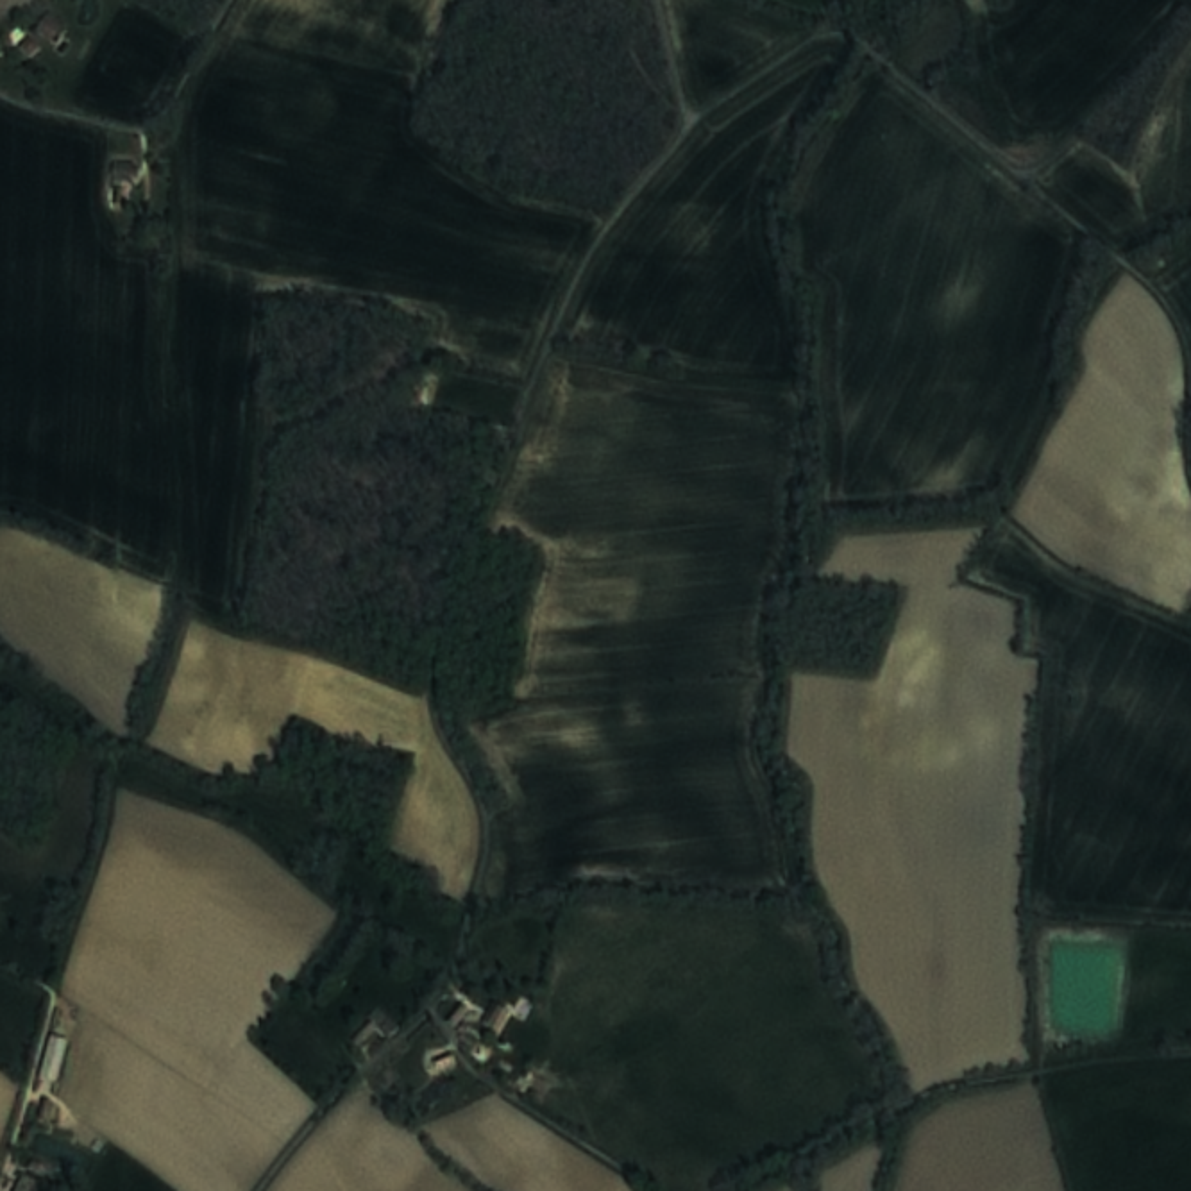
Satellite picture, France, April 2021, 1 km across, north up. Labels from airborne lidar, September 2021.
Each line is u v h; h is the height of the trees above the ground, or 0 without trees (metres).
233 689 0
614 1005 0
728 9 0
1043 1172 0
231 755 0
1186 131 0
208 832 0
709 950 0
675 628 0
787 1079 0
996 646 0
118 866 0
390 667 18
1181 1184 0
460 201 0
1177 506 0
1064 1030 0
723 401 0
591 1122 0
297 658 0
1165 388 0
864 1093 0
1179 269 0
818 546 18
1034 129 0
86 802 0
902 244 0
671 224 0
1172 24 8
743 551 0
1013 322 0
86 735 15
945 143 0
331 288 0
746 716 0
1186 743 0
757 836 0
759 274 0
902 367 0
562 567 0
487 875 0
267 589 21
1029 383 0
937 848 0
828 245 0
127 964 0
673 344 0
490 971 10
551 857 0
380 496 11
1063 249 0
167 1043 0
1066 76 0
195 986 0
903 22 19
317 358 11
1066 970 0
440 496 18
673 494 0
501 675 25
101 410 0
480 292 0
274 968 0
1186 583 0
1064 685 0
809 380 23
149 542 0
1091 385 0
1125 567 0
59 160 0
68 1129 0
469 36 20
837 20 15
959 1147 0
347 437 19
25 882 0
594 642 0
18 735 24
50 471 0
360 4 0
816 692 0
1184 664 0
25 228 0
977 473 0
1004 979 0
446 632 20
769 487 0
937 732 0
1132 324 0
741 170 0
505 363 0
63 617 0
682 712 0
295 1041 0
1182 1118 0
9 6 0
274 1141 0
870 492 0
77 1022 0
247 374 0
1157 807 0
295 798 22
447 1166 15
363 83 0
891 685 0
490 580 26
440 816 0
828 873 0
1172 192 0
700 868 0
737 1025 0
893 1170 9
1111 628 0
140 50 0
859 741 0
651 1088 0
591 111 12
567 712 0
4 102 0
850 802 0
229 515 0
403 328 21
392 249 0
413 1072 0
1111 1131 0
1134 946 0
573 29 12
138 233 13
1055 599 0
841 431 0
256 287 0
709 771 0
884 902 0
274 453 14
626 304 0
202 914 0
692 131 0
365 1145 0
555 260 0
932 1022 0
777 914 14
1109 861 0
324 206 0
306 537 18
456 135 17
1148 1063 0
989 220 0
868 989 0
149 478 0
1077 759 0
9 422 0
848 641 9
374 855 21
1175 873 0
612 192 14
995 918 0
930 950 0
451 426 16
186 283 0
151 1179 0
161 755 8
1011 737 0
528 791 0
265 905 0
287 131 0
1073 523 0
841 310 0
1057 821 0
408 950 17
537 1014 15
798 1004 0
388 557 14
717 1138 0
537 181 14
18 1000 0
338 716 0
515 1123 0
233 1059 0
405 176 0
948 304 0
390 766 17
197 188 0
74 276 0
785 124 0
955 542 0
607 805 0
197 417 0
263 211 0
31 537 18
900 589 12
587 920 0
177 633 11
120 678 0
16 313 0
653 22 14
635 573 0
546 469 0
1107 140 9
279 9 0
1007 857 0
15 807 19
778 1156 16
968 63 10
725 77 0
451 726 16
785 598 19
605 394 0
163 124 21
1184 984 0
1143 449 0
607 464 0
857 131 0
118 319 0
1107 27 0
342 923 11
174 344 0
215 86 0
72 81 0
